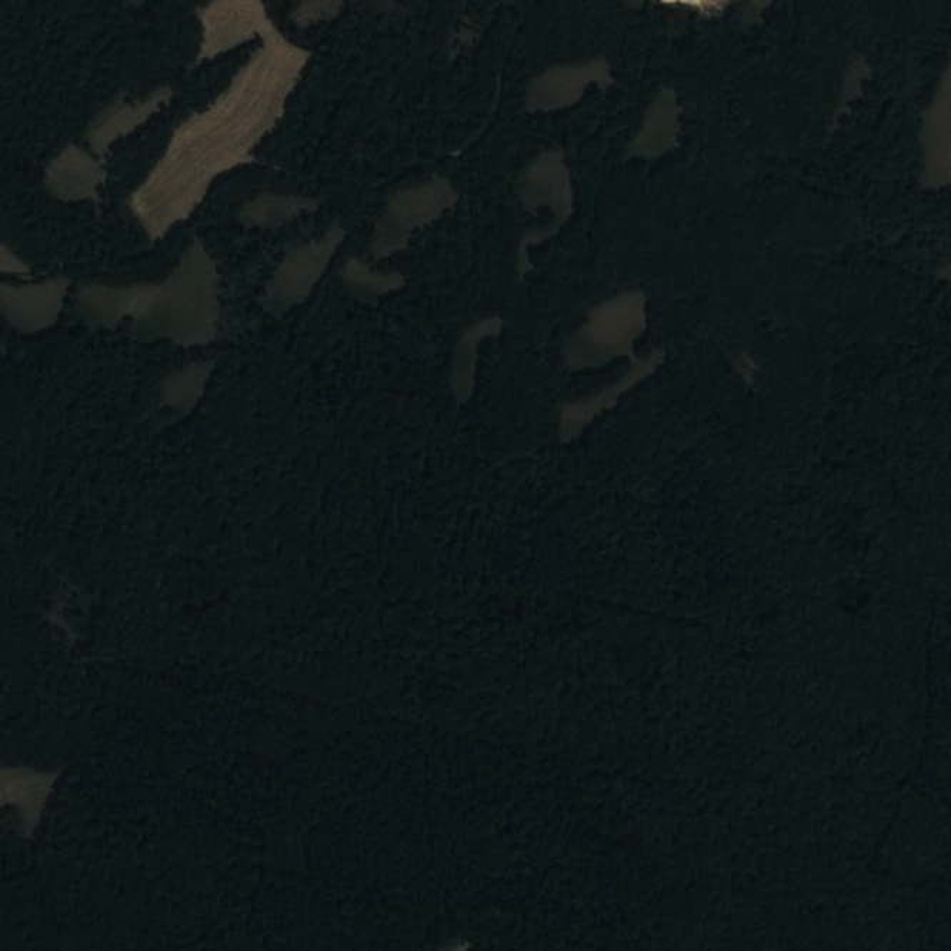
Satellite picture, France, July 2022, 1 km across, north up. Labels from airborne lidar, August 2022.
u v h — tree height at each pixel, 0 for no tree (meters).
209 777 14
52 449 12
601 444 22
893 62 13
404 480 26
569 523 17
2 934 18
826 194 15
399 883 22
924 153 10
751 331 16
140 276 13
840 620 13
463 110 15
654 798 20
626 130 15
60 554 20
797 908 18
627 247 17
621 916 24
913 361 16
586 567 16
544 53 19
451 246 14
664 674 19
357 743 13
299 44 8
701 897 17
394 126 16
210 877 18
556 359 24
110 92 17
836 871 18
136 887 19
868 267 13
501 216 18
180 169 0
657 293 17
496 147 16
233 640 19
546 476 10
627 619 13
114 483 17
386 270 11
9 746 14
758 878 21
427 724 13
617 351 0
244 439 17
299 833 16
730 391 20
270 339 21
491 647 14
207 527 20
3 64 16
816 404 15
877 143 13
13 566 16
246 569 20
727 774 18
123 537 16
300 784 13
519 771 14
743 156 13
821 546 17
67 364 14
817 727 15
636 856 15
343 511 18
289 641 18
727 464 20
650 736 18
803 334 17
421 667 11
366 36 8
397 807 22
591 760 20
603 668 14
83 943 17
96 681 17
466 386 0
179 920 20
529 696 18
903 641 14
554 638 18
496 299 17
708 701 14
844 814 17
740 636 17
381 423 19
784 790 10
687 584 18
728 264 15
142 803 21
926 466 14
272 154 18
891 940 15
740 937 17
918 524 16
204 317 0
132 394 16
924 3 13
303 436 16
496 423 23
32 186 18
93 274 16
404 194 0
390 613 23
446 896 17
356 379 19
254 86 0
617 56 14
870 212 13
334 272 12
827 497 11
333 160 13
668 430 14
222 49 0
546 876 14
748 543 16
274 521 17
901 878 12
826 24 14
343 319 14
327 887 19
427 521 21
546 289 20
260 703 15
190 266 0
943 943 22
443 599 20
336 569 18
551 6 17
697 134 18
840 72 15
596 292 11
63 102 18
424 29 15
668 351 15
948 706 22
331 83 19
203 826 15
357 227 9
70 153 0
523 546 16
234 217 9
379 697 12
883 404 16
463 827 21
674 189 15
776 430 18
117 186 16
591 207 15
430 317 13
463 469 19
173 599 25
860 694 15
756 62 15
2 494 9
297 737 14
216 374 13
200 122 0
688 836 20
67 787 19
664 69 15
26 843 7
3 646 16
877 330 20
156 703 16
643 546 17
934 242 10
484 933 14
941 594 12
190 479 17
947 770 17
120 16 21
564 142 15
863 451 15
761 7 0
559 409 14
